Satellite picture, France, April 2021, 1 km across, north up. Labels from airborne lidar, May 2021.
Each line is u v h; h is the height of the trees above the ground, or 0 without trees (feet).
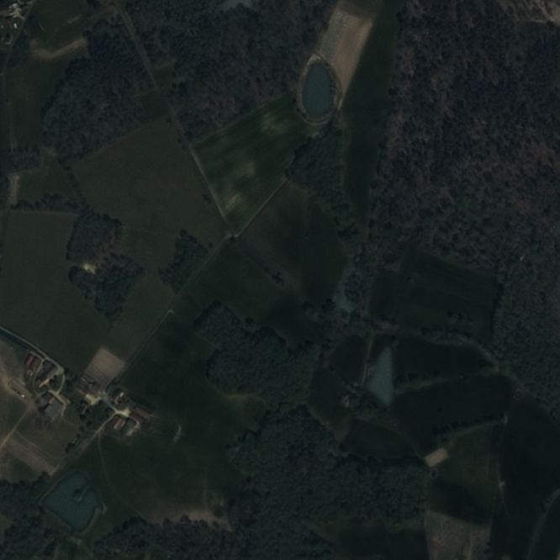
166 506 0
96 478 0
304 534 59
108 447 0
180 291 35
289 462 86
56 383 28
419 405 0
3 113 0
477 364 0
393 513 89
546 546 0
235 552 83
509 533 0
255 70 60
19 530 57
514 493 0
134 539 47
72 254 54
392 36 0
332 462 55
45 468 0
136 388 0
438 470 0
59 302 0
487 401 0
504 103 72
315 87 0
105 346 0
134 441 0
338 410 0
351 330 43
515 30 60
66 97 70
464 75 39
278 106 0
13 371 0
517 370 70
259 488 76
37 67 0
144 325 0
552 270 69
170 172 0
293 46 53
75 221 0
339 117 48
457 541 0
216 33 54
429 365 0
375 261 60
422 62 59
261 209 0
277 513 68
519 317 71
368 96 0
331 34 0
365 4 0
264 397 67
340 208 72
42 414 39
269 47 63
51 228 0
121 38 36
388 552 0
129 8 45
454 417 0
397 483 79
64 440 0
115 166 0
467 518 0
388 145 46
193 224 0
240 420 0
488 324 0
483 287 0
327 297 0
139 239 0
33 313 0
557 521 0
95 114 48
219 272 0
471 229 23
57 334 0
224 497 0
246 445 38
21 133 0
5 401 0
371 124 0
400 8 0
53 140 64
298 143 0
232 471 0
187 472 0
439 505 0
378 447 0
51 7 0
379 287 0
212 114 38
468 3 72
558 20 0
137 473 0
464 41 71
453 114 55
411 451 0
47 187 0
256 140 0
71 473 0
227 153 0
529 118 52
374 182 0
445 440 65
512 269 64
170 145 0
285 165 0
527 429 0
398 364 0
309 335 0
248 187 0
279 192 0
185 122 56
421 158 48
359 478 63
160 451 0
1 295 0
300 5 49
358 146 0
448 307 0
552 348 66
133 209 0
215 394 0
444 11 68
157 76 0
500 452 0
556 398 48
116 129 34
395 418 0
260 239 0
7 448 0
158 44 60
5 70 0
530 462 0
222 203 0
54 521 0
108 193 0
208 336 63
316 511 75
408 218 35
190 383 0
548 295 45
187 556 62
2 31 0
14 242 0
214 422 0
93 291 53
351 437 0
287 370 73
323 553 29
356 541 0
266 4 56
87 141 58
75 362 0
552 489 0
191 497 0
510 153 49
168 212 0
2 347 0
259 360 88
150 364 0
